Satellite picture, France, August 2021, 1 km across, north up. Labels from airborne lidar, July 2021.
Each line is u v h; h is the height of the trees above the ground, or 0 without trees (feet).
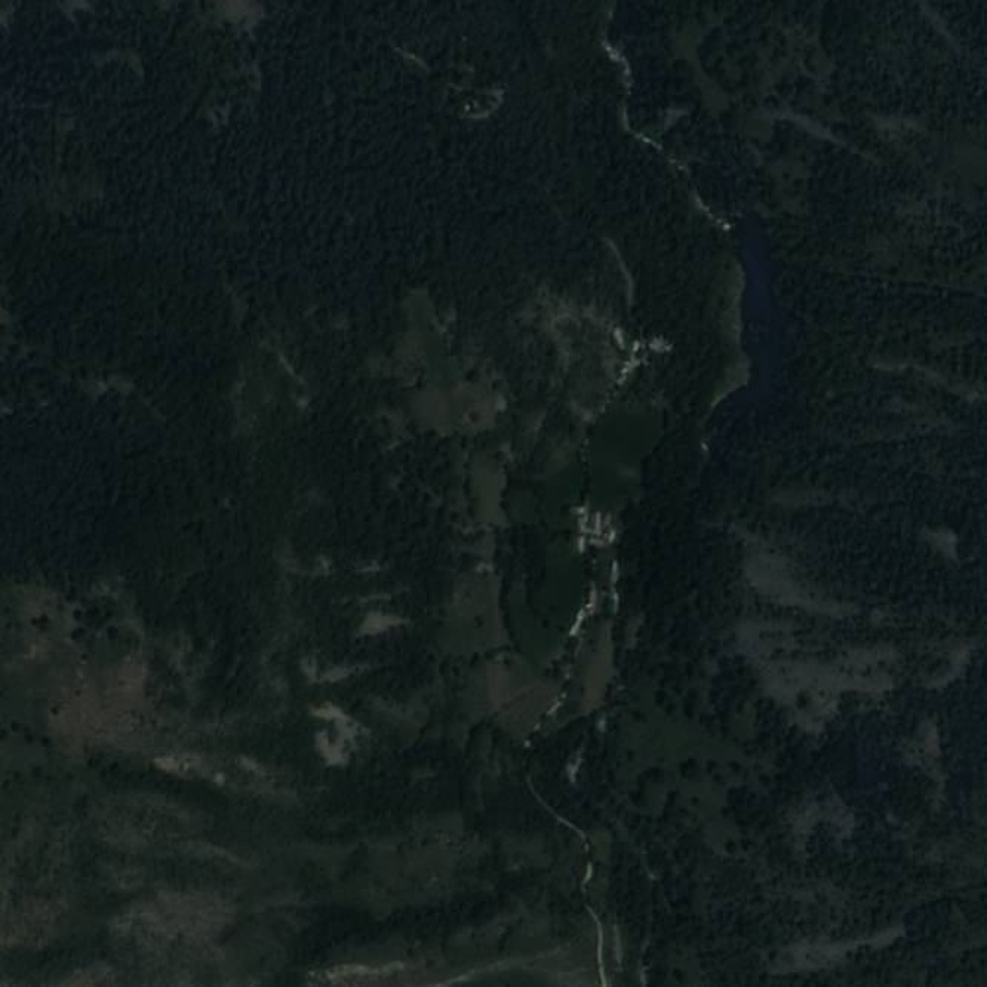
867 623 21
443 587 67
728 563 22
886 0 30
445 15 73
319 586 26
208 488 28
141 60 31
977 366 28
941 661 23
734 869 18
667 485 103
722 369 76
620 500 0
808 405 25
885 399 20
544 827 50
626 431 0
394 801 19
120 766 57
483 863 22
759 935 24
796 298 49
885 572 22
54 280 42
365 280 49
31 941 0
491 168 61
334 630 36
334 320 53
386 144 90
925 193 23
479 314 17
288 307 41
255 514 44
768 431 75
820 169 25
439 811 21
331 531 37
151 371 47
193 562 20
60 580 50
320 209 90
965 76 23
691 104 60
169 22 43
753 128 0
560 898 31
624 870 41
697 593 48
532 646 0
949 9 19
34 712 0
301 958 35
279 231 77
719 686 50
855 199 30
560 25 79
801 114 19
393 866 0
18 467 56
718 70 53
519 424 56
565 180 33
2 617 0
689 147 32
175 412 38
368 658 58
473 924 43
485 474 0
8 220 32
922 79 25
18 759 0
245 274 67
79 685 0
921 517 20
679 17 44
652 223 52
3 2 49
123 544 40
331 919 19
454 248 59
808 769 46
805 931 31
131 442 47
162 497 65
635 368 0
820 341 32
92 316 43
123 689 0
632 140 65
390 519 46
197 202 44
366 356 46
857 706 27
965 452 26
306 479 29
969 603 27
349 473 43
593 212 33
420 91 51
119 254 60
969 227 26
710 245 76
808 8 40
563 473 0
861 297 27
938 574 25
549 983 0
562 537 31
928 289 30
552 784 31
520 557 23
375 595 18
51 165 47
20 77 103
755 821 37
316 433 39
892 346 29
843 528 18
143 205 50
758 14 55
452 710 22
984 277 27
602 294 58
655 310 32
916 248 23
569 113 81
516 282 21
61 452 52
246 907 0
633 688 53
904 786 47
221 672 43
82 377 25
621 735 43
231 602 57
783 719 36
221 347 45
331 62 78
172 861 18
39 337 20
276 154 63
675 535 75
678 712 50
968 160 0
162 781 26
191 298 47
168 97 82
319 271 60
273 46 73
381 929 33
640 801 52
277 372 25
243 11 0
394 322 58
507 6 25
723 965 21
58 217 37
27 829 0
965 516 27
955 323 33
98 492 43
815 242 31
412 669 44
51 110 52
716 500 64
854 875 38
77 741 0
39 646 0
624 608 51
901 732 25
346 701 35
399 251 87
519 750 33
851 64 30
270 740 20
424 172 83
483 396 0
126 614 0
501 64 38
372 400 24
